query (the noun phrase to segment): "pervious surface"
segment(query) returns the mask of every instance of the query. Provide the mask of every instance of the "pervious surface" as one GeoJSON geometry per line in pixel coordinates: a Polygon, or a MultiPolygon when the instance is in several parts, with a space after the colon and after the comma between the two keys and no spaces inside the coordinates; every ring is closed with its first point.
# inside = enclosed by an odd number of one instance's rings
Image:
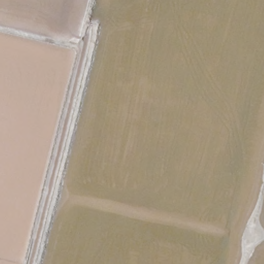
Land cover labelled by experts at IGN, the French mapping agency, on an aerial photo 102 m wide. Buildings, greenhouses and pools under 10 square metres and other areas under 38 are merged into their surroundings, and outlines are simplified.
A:
{"type": "Polygon", "coordinates": [[[264,167],[259,197],[242,234],[239,264],[264,264],[264,167]]]}
{"type": "Polygon", "coordinates": [[[54,32],[41,40],[45,44],[70,48],[73,54],[21,264],[40,264],[94,53],[99,23],[97,20],[89,20],[95,3],[93,0],[88,0],[78,31],[73,37],[54,32]]]}

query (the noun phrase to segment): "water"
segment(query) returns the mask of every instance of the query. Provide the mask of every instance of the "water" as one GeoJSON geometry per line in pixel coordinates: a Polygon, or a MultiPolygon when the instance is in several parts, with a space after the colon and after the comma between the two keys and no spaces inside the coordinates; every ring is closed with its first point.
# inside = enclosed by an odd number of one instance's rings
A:
{"type": "Polygon", "coordinates": [[[73,54],[70,48],[45,44],[41,40],[54,32],[73,37],[78,31],[88,0],[0,0],[0,264],[21,264],[73,54]]]}
{"type": "Polygon", "coordinates": [[[94,53],[40,264],[239,264],[242,234],[259,197],[264,167],[264,0],[93,0],[95,3],[89,20],[97,20],[99,23],[94,53]]]}

